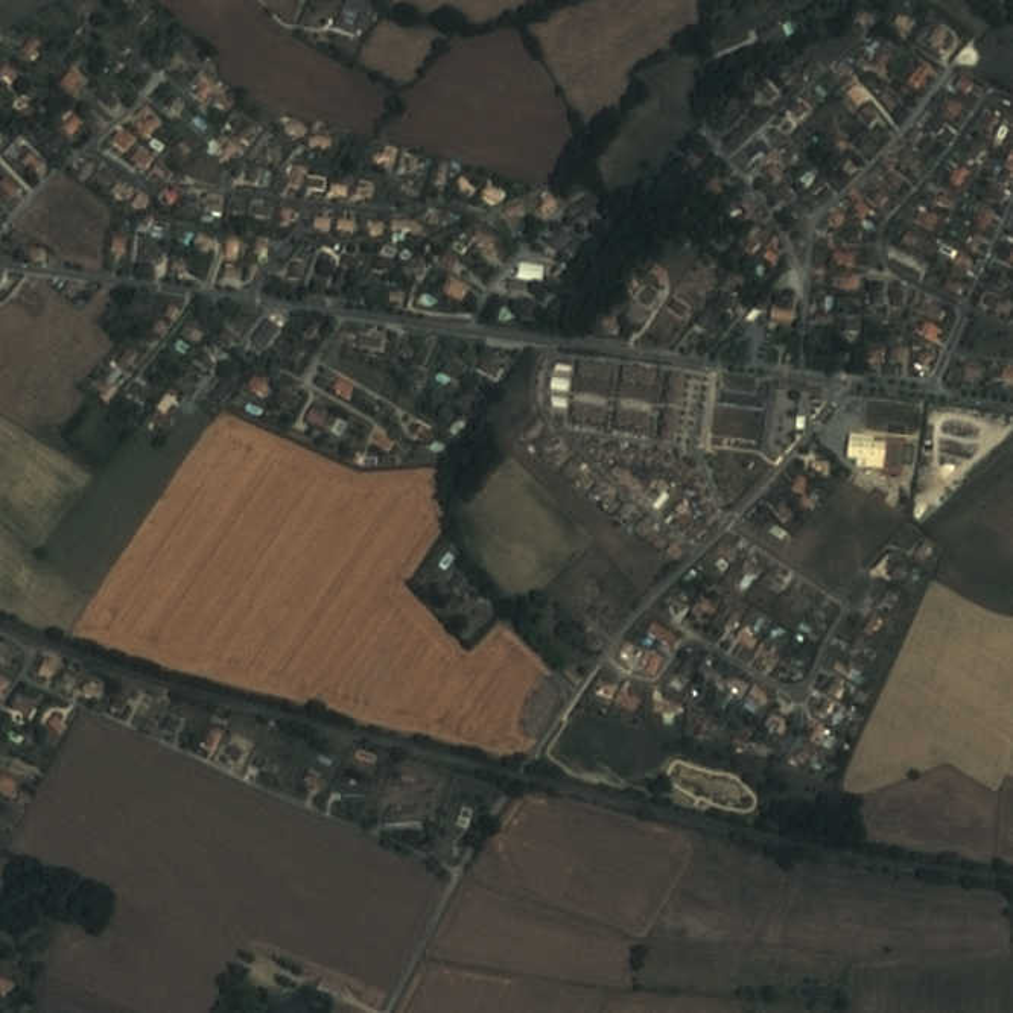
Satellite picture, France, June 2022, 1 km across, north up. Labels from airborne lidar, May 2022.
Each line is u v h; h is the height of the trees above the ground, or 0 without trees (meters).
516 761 15
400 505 0
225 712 5
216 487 0
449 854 0
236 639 0
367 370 0
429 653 0
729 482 0
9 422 0
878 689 0
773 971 0
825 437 0
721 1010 0
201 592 0
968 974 0
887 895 0
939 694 0
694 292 0
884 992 0
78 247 0
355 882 0
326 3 0
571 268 11
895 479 0
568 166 18
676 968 0
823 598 0
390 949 0
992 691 0
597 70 0
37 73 0
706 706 7
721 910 0
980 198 8
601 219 13
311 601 0
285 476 0
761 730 6
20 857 8
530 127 0
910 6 0
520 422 0
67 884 19
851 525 0
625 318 9
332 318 11
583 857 0
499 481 0
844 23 13
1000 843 0
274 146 0
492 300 8
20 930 24
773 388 0
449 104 0
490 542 0
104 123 15
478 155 0
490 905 0
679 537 0
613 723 0
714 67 13
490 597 15
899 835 0
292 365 7
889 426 0
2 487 0
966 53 0
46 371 0
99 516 0
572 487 0
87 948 0
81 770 0
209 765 0
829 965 0
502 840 0
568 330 12
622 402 0
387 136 0
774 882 0
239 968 22
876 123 5
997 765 0
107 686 8
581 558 0
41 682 0
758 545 0
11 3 0
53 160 15
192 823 0
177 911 0
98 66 9
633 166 0
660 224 17
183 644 0
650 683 0
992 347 0
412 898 0
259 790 0
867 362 7
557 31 0
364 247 8
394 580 0
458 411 15
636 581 0
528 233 13
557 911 0
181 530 0
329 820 0
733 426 0
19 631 0
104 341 0
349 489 0
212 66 0
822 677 7
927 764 0
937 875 14
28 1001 8
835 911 0
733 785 0
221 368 15
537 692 0
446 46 13
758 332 0
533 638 22
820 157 10
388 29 0
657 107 0
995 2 9
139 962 0
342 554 0
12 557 0
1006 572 0
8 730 8
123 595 0
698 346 7
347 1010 0
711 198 9
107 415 6
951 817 0
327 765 0
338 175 7
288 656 0
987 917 0
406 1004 0
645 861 0
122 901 0
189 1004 0
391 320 0
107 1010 0
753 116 7
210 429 0
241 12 0
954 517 0
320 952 0
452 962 0
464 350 12
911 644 0
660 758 0
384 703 0
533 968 0
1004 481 0
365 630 0
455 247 0
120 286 10
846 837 15
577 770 0
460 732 0
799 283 0
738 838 14
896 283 5
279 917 0
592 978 0
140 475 0
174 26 10
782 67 9
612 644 0
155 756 0
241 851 0
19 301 0
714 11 18
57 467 0
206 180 0
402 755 13
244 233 14
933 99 7
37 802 0
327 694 0
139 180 0
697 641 0
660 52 11
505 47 0
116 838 0
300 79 0
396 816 0
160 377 8
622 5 0
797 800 12
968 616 0
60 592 0
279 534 0
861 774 0
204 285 0
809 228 0
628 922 0
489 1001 0
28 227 0
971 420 0
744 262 13
